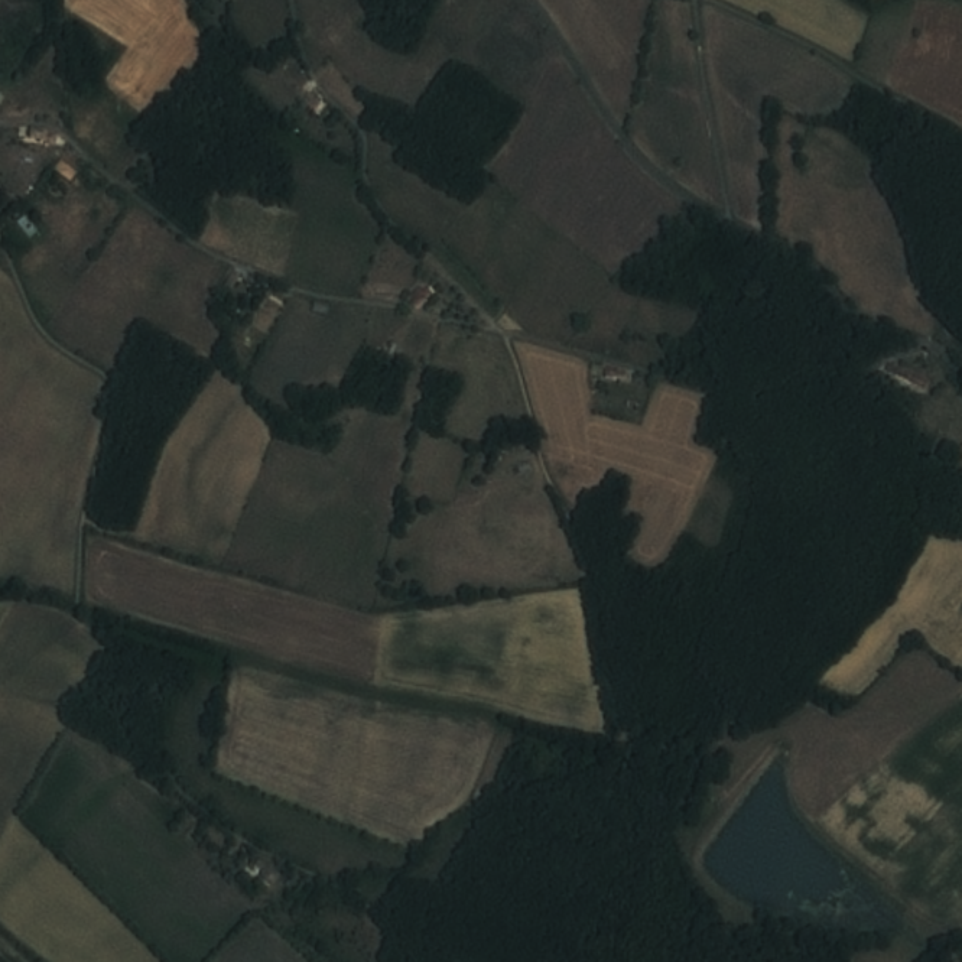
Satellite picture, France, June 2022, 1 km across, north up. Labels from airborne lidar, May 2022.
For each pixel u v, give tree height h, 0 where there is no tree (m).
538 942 16
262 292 10
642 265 13
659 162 0
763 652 14
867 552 10
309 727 0
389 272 0
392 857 0
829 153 0
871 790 0
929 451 12
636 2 0
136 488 12
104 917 0
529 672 0
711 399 14
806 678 17
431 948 16
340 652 0
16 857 0
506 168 0
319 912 6
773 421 14
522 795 18
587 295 0
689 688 6
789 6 0
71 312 0
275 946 0
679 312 0
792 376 14
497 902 13
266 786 0
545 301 0
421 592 19
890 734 0
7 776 0
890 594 10
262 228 0
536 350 0
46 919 0
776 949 21
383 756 0
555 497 9
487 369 0
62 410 0
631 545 9
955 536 15
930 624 0
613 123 0
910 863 0
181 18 0
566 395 0
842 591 13
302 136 6
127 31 0
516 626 0
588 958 14
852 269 0
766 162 7
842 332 19
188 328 0
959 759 0
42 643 0
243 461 0
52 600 27
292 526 0
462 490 0
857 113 9
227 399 0
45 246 0
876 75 0
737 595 12
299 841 0
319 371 0
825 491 8
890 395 16
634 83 6
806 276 18
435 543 0
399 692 0
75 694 17
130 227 0
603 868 21
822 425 15
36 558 0
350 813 0
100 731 18
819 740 0
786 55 0
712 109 0
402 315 11
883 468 14
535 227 0
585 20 0
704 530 0
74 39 16
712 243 8
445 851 0
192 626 0
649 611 14
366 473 0
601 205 0
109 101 0
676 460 0
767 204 15
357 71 0
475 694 0
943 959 29
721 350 18
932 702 0
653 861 15
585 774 18
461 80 10
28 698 0
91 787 0
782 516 8
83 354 10
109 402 17
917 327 0
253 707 0
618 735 26
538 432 16
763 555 6
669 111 0
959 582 0
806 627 15
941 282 18
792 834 0
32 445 0
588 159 0
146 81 0
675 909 11
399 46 14
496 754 0
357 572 0
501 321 0
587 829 19
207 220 10
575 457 0
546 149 0
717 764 19
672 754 18
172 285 0
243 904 0
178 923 0
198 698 0
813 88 0
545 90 0
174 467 0
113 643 19
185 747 0
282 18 0
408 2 12
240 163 17
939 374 0
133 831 0
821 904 0
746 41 0
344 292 0
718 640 13
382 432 0
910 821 0
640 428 0
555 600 0
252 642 0
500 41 0
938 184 16
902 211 15
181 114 18
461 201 12
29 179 0
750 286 19
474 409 0
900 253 0
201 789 0
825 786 0
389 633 0
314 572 0
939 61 0
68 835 0
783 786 0
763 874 0
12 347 0
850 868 0
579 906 18
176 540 0
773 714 19
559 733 15
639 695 9
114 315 0
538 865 20
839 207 0
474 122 15
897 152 17
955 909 0
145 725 23
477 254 0
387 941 14
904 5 0
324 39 0
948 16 0
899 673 0
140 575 0
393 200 0
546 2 0
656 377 9
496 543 0
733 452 14
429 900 14
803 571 11
